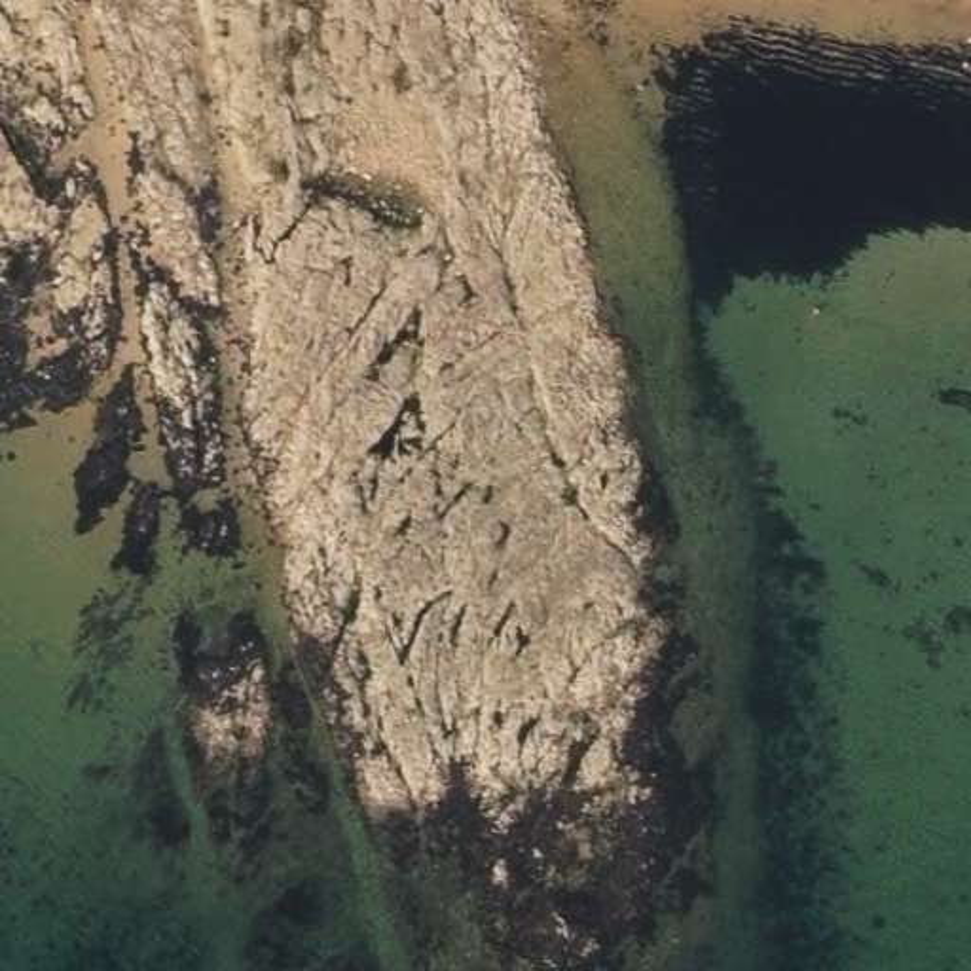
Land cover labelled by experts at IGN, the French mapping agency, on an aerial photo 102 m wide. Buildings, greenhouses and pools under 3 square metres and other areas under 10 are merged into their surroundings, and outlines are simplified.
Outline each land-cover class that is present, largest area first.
<instances>
[{"label":"water","instance_id":"1","mask_svg":"<svg viewBox=\"0 0 971 971\"><path fill-rule=\"evenodd\" d=\"M618 0H569V11H580V23H561V34L546 38L531 53L539 68L531 83L535 118L542 129L539 152L554 159V171L565 182L569 209L584 235L595 319L618 345L626 368L618 391V417L626 444L641 459V482L626 504V516L633 531L649 539L637 603L649 614L664 618V641L656 656H649L637 671L641 694L652 702V724L641 743V755L656 774L652 789L649 797L664 804V827L656 834V869L649 888L641 891L630 918L603 944H595L592 956H573L558 971H971V46H861L819 30H785L755 15H732L728 30L702 34V42L694 46H641L637 38L607 34ZM99 410L83 402L68 410H49L42 398H30L11 410H0V971H501V956L489 944H482V929L470 918L474 907L486 903V884L493 880V861L482 846V831L467 823L463 831L448 834L429 812L410 815L406 808L372 804L360 789V762L345 755L334 740L326 702L311 690V683L300 671L296 641H303L307 633L296 622V607L288 603L284 527L277 523L273 508L266 512L258 504L247 482L231 489L228 482H212L209 489H186L178 482H144L129 474V463L106 486H83V478L76 474V467L95 444ZM235 641H254L262 660L258 668L266 675L269 702L258 755L209 747L197 736L205 709L197 694V668L205 660L231 656Z\"/></svg>","mask_w":971,"mask_h":971},{"label":"bare soil","instance_id":"2","mask_svg":"<svg viewBox=\"0 0 971 971\"><path fill-rule=\"evenodd\" d=\"M561 23H580V11H569V0H0V254L30 235L49 239L53 250V281L34 284V311L27 319V368L68 349L49 326L68 307L83 311L87 334H102L110 292L106 254H118L125 311L121 345L114 364L91 379L83 402L99 410L102 398L118 387L121 372L133 364L144 436L140 451H133L129 463V474L144 482H178L174 470H167V444L152 398L167 394L178 410V421L193 425V417H201L209 406V379L193 368V326L174 303H167V292L156 284L148 300L137 296V273L129 266L137 250L167 266L186 296L228 307L231 315L228 322H212V341L224 364L228 482L231 489L247 482L258 504L266 512L273 508L277 523L284 527L288 603L296 607V622L307 633H315L319 645L334 656V679L345 690L349 724L364 740L360 762V789L372 804L406 808L410 815L429 812L444 797L451 759H467L470 789L474 797H482L486 819L501 831H508L512 819L527 808L535 785L546 797H554V789H580L584 812L592 815L607 812L611 804H633L649 797L652 789L637 785L633 766L614 762V755L622 751V732L633 721V705L641 694L637 671L649 656H656L664 641V618L649 614L637 603L649 539L633 531L626 516V504L641 482V459L626 444L618 417V391L626 368L618 345L595 319L584 235L569 209L565 182L554 171V159L539 152L542 129L535 118L531 83L539 68L531 53L546 38L561 34ZM201 186H216L224 193V224L220 235L209 243H201L190 209ZM732 15H755L785 30H819L861 46H971V0H618L607 34L637 38L641 46H694L702 42V34L728 30ZM239 713L205 709L197 736L209 747L258 755L269 702L266 675L258 668H250L247 679L235 683Z\"/></svg>","mask_w":971,"mask_h":971},{"label":"herbaceous vegetation","instance_id":"3","mask_svg":"<svg viewBox=\"0 0 971 971\"><path fill-rule=\"evenodd\" d=\"M190 209L201 243H209L220 235L224 224V193L216 186H201ZM53 250L49 239L30 235L0 254V410H11L30 398H42L49 410H68L83 402L91 379L114 364L121 345L125 311L118 254H106L110 292L102 334H87L83 311L68 307L49 326L68 349L27 368V319L34 311V284L53 281ZM129 266L137 273V296L148 300L156 284L167 292V303H174L193 326V368L209 379V406L201 417H193V425L178 421V410L167 394L152 398L167 444V470H174L178 482L186 489H209L212 482H228L224 364L212 341V322H228L231 315L228 307L186 296L167 266L137 250ZM144 436L133 364L121 372L118 387L102 398L99 410L95 444L76 467V474L83 478V486H106L129 463L133 451H140ZM300 671L311 683V690L326 702L334 740L345 755L360 762L364 740L349 724L345 690L334 679V656L319 645L315 633H307L303 641H296ZM262 660L254 641H235L231 656L205 660L197 668V694L205 709L239 713L235 683L247 679L250 668H258ZM652 724V702L641 694L633 705V721L622 732V751L614 755V762L633 766L637 785L652 789L656 774L641 755V743ZM448 834L463 831L467 823L482 831V846L493 861V880L486 884V903L474 907L470 918L482 929V944H489L501 956V971H558L573 956H592L595 944H603L630 918L641 891L649 888L656 869V834L664 827V804L649 797L633 804H611L607 812L592 815L584 812L580 789H554V797H546L535 785L527 808L512 819L508 831H501L486 819L482 797H474L470 789L467 759H451L444 797L429 812Z\"/></svg>","mask_w":971,"mask_h":971}]
</instances>
